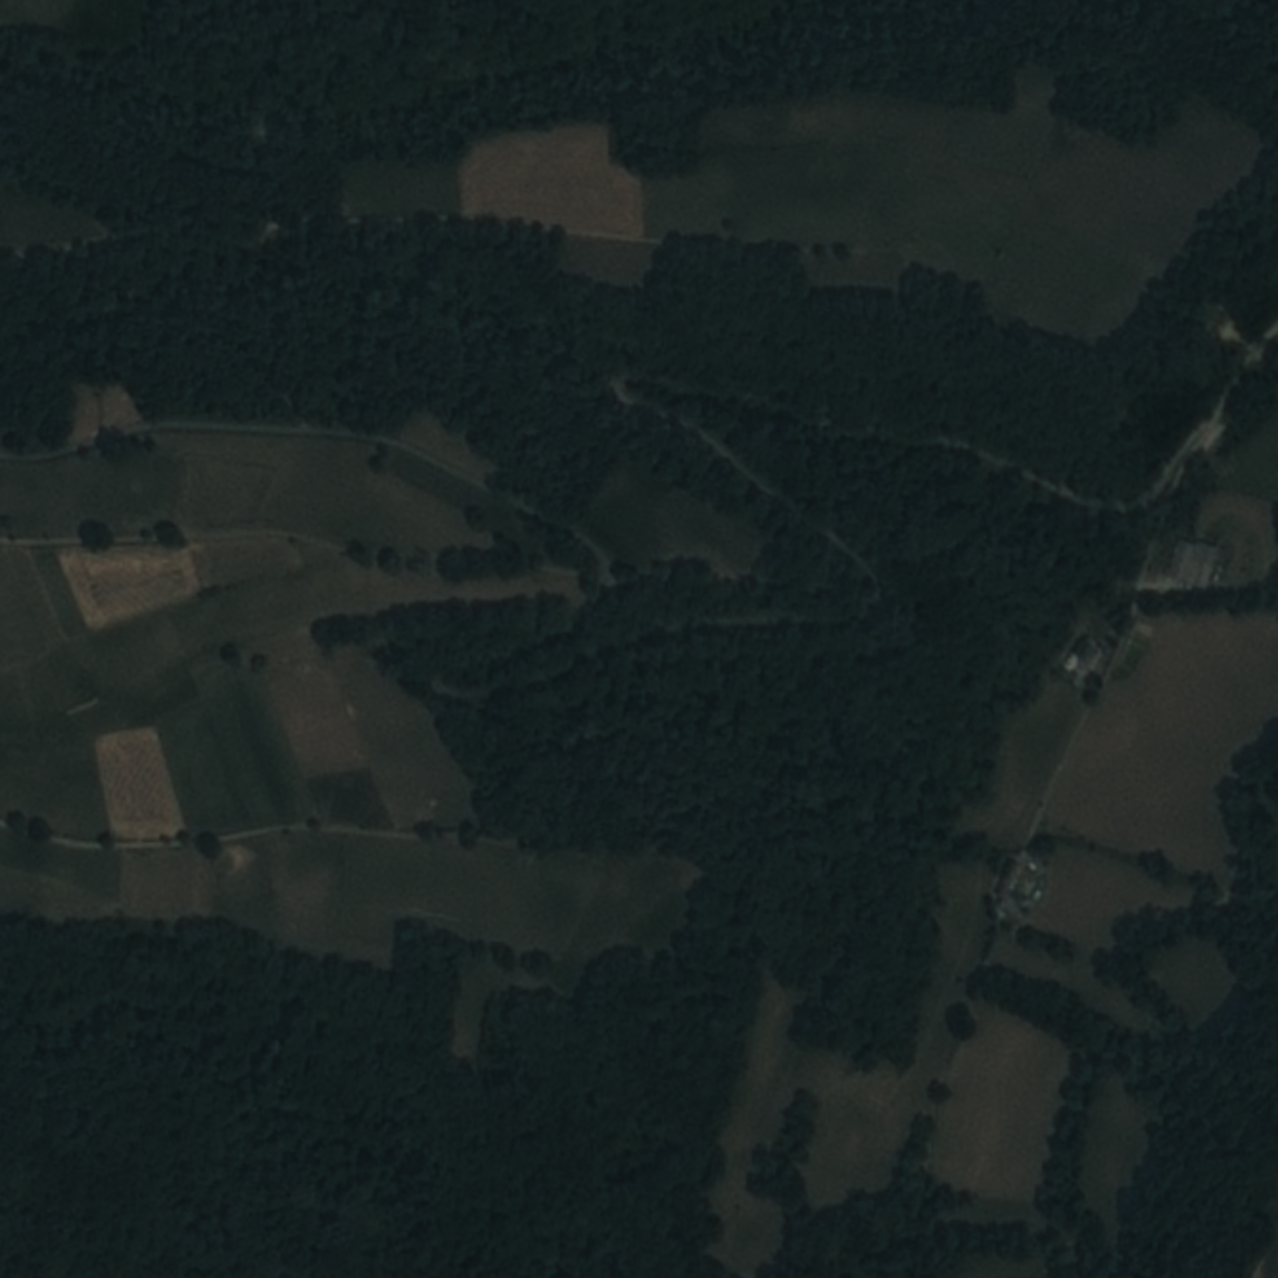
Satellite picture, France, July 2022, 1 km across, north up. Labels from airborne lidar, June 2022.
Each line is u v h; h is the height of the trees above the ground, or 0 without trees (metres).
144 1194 26
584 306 25
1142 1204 29
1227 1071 27
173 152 11
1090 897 0
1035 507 22
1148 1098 22
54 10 0
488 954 16
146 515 0
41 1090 22
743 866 23
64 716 0
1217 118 0
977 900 0
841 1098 0
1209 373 9
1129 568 22
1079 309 0
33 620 0
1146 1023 0
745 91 20
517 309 26
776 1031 0
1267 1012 28
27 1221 23
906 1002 27
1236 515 0
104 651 0
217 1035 36
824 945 21
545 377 25
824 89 20
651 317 23
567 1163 27
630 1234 29
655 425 29
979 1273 0
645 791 18
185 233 15
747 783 29
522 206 0
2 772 0
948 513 29
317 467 0
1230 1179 23
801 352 26
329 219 21
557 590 0
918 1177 22
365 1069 29
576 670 35
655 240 0
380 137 7
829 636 25
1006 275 0
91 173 20
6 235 0
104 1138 23
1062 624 26
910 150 0
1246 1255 23
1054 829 0
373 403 15
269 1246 26
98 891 0
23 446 20
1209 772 0
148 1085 15
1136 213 0
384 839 0
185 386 24
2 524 6
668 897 0
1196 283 22
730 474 28
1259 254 24
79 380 14
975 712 29
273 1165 35
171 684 0
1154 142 11
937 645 25
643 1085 21
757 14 14
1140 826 0
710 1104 21
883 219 0
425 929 13
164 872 0
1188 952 0
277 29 13
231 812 0
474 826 13
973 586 21
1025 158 0
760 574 12
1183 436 13
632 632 24
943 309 27
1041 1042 0
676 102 29
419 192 0
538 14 27
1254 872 23
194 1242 22
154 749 0
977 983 18
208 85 27
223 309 25
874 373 27
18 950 28
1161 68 25
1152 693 0
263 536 0
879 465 21
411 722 0
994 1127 0
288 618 0
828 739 30
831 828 22
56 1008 32
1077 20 16
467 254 17
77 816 0
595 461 24
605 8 28
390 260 11
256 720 0
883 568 20
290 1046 31
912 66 25
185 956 22
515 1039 22
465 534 0
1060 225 0
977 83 21
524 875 0
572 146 0
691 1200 24
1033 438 26
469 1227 31
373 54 25
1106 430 28
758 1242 0
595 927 0
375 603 0
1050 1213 24
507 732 31
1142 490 11
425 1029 28
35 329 14
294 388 14
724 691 26
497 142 0
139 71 20
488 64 31
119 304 22
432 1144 28
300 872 0
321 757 0
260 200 17
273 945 8
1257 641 0
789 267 21
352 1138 13
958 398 27
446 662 25
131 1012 31
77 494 0
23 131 23
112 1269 24
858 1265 21
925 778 12
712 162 0
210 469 0
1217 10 26
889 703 20
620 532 0
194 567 0
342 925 0
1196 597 15
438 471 0
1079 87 21
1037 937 15
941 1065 0
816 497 24
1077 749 0
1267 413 25
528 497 20
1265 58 23
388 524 0
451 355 23
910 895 28
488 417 23
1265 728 0
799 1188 24
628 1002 22
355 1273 21
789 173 0
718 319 23
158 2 15
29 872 0
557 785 29
